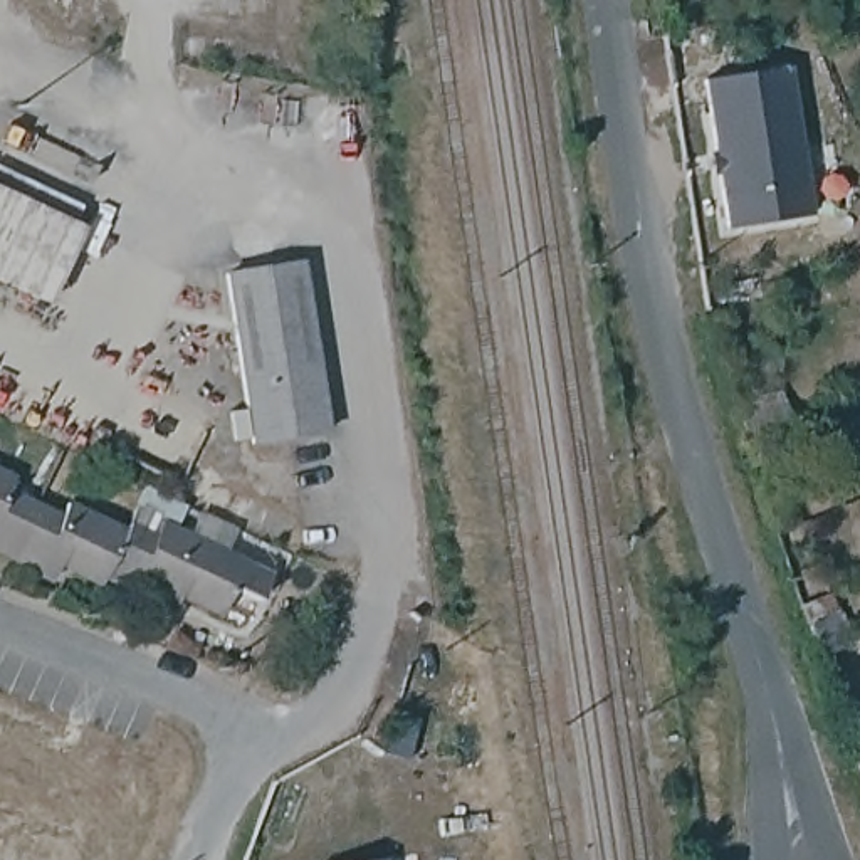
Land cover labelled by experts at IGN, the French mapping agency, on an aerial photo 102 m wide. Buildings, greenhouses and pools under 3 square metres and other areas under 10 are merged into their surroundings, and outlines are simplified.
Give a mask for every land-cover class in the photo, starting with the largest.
<instances>
[{"label":"impervious surface","instance_id":"1","mask_svg":"<svg viewBox=\"0 0 860 860\"><path fill-rule=\"evenodd\" d=\"M124 13L121 60L128 64L121 67V74H114L104 60L91 57L87 50L54 47L27 13L13 10L10 0H0V185L50 212L84 222L74 265L50 302L34 299L17 282L0 279V413L13 423L34 427L40 437H50L47 454L34 467V484L60 494L67 487L77 450L97 440L111 447V454H124L138 487H155L161 497L181 501L195 494L198 467L212 450L215 427L232 423V413H239L235 406L242 400V386L235 376V343L232 333H225L232 326V316L225 306L222 275L282 262H309L333 423L312 437L316 443L296 447V470L306 484H312V501L306 511L309 531L302 534V541L336 554L339 574L353 581L349 638L339 648L333 669L306 695L279 692L269 682L235 665H195L185 655L161 652L158 642L131 645L121 628L81 625L74 611L54 608L47 598H30L13 588H0V699L20 705L24 712L60 709L64 716L81 719V726L111 736H144L151 716H178L181 722H191L205 742V779L181 820V833L168 860H225L239 820L255 793L262 779H269L279 766L343 736L359 722L366 705L373 702L376 679L386 665L400 595L410 581L423 585L430 578V558L423 470L403 410L396 359L403 356L390 316L386 265L376 245L373 168L366 158H343L339 138L319 141L312 124L299 131L245 124L225 131L218 124L202 121L195 108L198 91L178 87L171 74L175 20H188L198 10V0H114ZM581 24L591 27V37H585V50L591 57L588 64L595 74L591 84L598 91V118H605V131L595 138V144L601 148L608 195L595 202L598 208L608 252L615 255V269L625 282V302L635 316V326L625 336L638 349L635 363V370L645 376L642 390L658 406V420L665 423L672 440L675 480L682 484V501L695 531V544L705 558V578L712 588H742L739 608L729 615V632L722 645L726 658L736 669L739 702L742 776L749 786V803L746 813L732 820V843L749 847V860H850L810 736L783 672L773 605L763 598V588L756 585L749 554L732 521L712 433L692 380L685 323L672 239L679 188L692 195V175H709L716 205H705V218H716L719 235L769 239L773 232L820 228V235L833 245L853 232V218L836 208V198H850L853 188L847 178H840V168H823V205L813 215L732 225L726 178L716 168V114H702L705 151L699 158H689L685 151L679 111V94H685L682 47H672V37L645 40L642 30H648V20H638V27H632L628 0H578ZM235 611L222 618H212L195 608L185 611L188 625H195L198 642L239 648L242 655L265 652L269 638L262 632L269 618L265 595L242 591V605L232 601ZM840 679L850 685V699H857L860 705V642L857 652H836L833 658Z\"/></svg>","mask_w":860,"mask_h":860},{"label":"herbaceous vegetation","instance_id":"2","mask_svg":"<svg viewBox=\"0 0 860 860\"><path fill-rule=\"evenodd\" d=\"M13 10L27 13L54 47L87 50L91 57L104 60L114 74H121V67L128 64L121 60L124 13L114 0H10ZM383 77L403 74L410 67L413 74H427V81L437 84L427 101V121L413 124L406 134L410 148L403 171L406 195L413 198V235L420 259L417 286L423 292L430 326L423 349L433 370L417 373L406 366L403 356L396 359L403 410L410 406L417 386L440 390L437 427L443 440V474L450 487V507L457 517L464 581L474 588V615L460 632L433 618V605H440V588L430 558V578L423 585L410 581L400 595L386 665L376 679L373 702L366 705L359 722L343 736L279 766L269 779H262L255 793L262 800L242 860H551V830L534 796V769L524 756L527 736L521 729L524 692L531 689L524 652L538 648V628L531 611L527 564L514 558L507 538V514H517V484L514 474L497 470V447L511 450V433L501 380L487 383L484 373H477V363H484V346L497 349V339L490 319L480 225L474 208L467 121L460 108V71L454 50H447V64L437 60L433 30H420L410 17L403 20V0H383ZM393 709L406 712L413 726L406 736L383 749L380 729ZM548 30L561 27V81L568 97L564 131L574 128L591 141L588 168L571 165L581 218L598 208L595 202L608 195L601 148L595 144V138L605 131V118H598V91L591 84L595 74L588 64L591 57L585 50V37H591V27L581 24L578 0H538ZM763 67L796 64L806 134L823 151V168H840V178H847L853 188L850 198H836V208L853 218V232L833 245L820 235V228L773 232L769 239L719 235L716 218H705V205H716L709 175H692V195L679 188L672 239L685 323L705 309L732 312L736 302L763 299L776 289V275L786 272L793 282L796 309H820L823 323H806V333L816 343L803 349L800 363H763L766 386L759 393H786L789 410H803L806 396L816 393V383L833 366H843V376H850L860 386V40L840 50L836 60H823L820 40L810 27L789 37L786 47L759 60ZM823 249L830 252V259H843L857 275L820 292L803 262H810ZM685 94H679V111L685 151L689 158H699L705 151L702 114H716L712 77L753 74V64H732V47H716L712 34L705 30H692L689 40H682V47ZM595 279L605 282L608 302H625V282L615 269V255L608 252L595 262ZM591 383L601 443L608 457L611 497L618 521L625 524V538H632V554L621 558V568L625 581L635 591V601L642 605L645 705H655L662 689H675V682L669 672L665 635L658 632L655 611L648 608L652 588L669 585L679 574V591L692 595L695 605L709 608L712 635L705 648L722 645L729 632V615L739 608L742 588H712L705 578V558L695 544V531L682 501V484L675 480L672 440L665 423L658 420V406L642 390L645 376L635 370V363H618V376L625 386V413L605 403L598 323L588 309L585 312ZM833 420L850 437V443L860 447V403L833 406ZM50 437H40L34 427L13 423L0 413V467L17 474L10 501L34 497L47 507H64V497L60 494L34 484V467L47 454ZM312 501V484H306L296 470V447L235 440L232 423L215 427L212 450L198 467L195 494L181 501L188 504L181 517L188 531H195L198 521L208 514L232 524L235 541H245L265 554L282 558L275 571V581L282 588L265 595L269 618L279 615L289 605V598H309L323 591L333 605L326 638V665L333 669L339 648L349 638L353 581L339 574L336 554L302 541V534L309 531L306 511ZM732 521L749 554L759 548V541L749 517V501L742 497V484L729 467L722 440L712 433ZM141 487H138L121 490L114 504L97 501L94 507L104 517L128 524ZM783 551L789 558L793 581L803 598L806 591H830V581L803 574V551L833 558V568L860 574V517L847 521L843 507H836L823 490L810 504H800L789 521H783ZM131 581H151L165 595V605L171 611V632L158 642L161 652L185 655L195 665H235L269 682L272 655L265 652L242 655L239 648L198 642L195 625H188L185 611L165 571H131L118 581H108L114 591H124ZM642 736L648 776L662 813L665 860H679L672 847L679 833L675 806L662 793L669 773H675L685 786V796L695 800L692 840H702L712 860H749V847L732 843V820L746 813L749 803V786L742 776L739 702H719L716 695L702 699V709L695 716L702 773L675 769L669 763L682 736H669L662 712H655L642 719ZM205 779V742L191 722H181L178 716H151L144 736H111L81 726V719L64 716L60 709L24 712L20 705L0 699V860H168L181 833V820ZM850 860H860V759L853 753H843L833 763L826 756V742H820L816 732L810 736Z\"/></svg>","mask_w":860,"mask_h":860},{"label":"pervious surface","instance_id":"3","mask_svg":"<svg viewBox=\"0 0 860 860\"><path fill-rule=\"evenodd\" d=\"M309 13L299 10V0H198V10L188 20H175L171 74L178 87L198 91L195 108L202 121L218 124L225 131L245 124L299 131L312 124L319 141L339 138L343 158H366L373 168L383 158V141L373 131L370 104H336L329 94H319L306 84L245 77L232 71H198L188 64L205 47H228L232 54H262L289 71L306 74V60H316V54L309 44ZM410 17L420 30H433L437 60L447 64V50H454L460 71V108L467 121L474 208L480 225L490 319L497 339V349L484 346V363H477V373H484L487 383L501 380L511 433V450L497 447V470L514 474L517 484V514H507V538L514 558L527 564L531 611L538 628V648L524 652L531 689L524 692L521 729L527 736L524 756L534 769V796L551 830V860H665L662 813L648 776L642 736V719L655 712V705H645L642 605L635 601V591L625 581L621 568V558L632 554V538H625V524L618 521L611 497L608 457L601 443L591 383L585 312L581 306L588 302L595 279V262L585 252L581 218L571 165L564 151V131L568 97L561 81V27L548 30L538 0H403V20Z\"/></svg>","mask_w":860,"mask_h":860},{"label":"deciduous trees","instance_id":"4","mask_svg":"<svg viewBox=\"0 0 860 860\"><path fill-rule=\"evenodd\" d=\"M299 10L309 13V44L316 54V60H306V84L319 94H329L336 104H370L373 131L383 141V158L373 168L376 245L386 265L390 316L403 356L406 366L417 373L433 370L423 349L430 326L423 292L417 286L420 259L413 235V198L406 195L403 171L410 148L406 134L413 124L427 121V101L437 84L427 81V74H413L410 67L403 74L383 77V0H299ZM632 27H638V20H648V30H642L645 40L672 37V47H682V40H689L692 30H705L712 34L716 47H732V64H753L759 60L786 47L789 37L810 27L820 40L823 60H836L840 50L860 40V0H628ZM591 141L574 128L564 131V151L571 165L588 168ZM585 252L595 262L608 252L598 208L581 218ZM820 292L857 275L843 259H830V252L823 249L810 262H803ZM823 323L820 309H796L793 282L786 272L776 275V289L763 299L736 302L732 312L705 309L685 323L692 380L712 433L722 440L729 467L742 484V497L749 501V517L759 541V548L749 554L756 585L763 588V598L773 605L783 672L810 736L816 732L820 742H826V756L833 763L843 753H853L860 759V705L857 699H850V685L840 679L833 658H826L823 652L816 621H806L803 615V598L793 581L789 558L783 551V521H789L800 504H810L823 490L836 507H843L847 521L860 517V447L850 443V437L833 420V406L860 403V386L850 376H843V366H833L816 383V393L806 396L803 410H789L786 420H773L766 427L749 423L746 413L756 410L759 393L766 386L763 363H800L803 349L816 343L806 333V323ZM588 309L598 323L605 403L625 413V386L618 376V363H635L638 349L625 336L635 326V316L625 302H608L605 282L595 279L588 302L581 306L585 312ZM440 390L417 386L410 406L403 410L423 470L430 558L440 588V605H433V618L460 632L474 615V588L464 581L457 517L450 507V487L443 474V440L437 427ZM138 487L124 454H111V447L97 440L77 450L67 487L60 494L64 497L97 501L114 504L121 490ZM0 588H13L30 598H47L54 608L74 611L81 625L121 628L131 645L158 642L171 632V611L165 605V595L151 581H131L124 591H114L108 581H47L40 564L10 561L0 551ZM803 574L830 581V591L860 608V574L833 568V558L803 551ZM679 574L669 585L652 588L648 608L655 611L658 632L665 635L669 672L675 682V689H662L655 705V712H662L669 736H682L669 763L675 769L702 773L695 716L702 709V699L716 695L719 702H739L736 669L726 658L722 645L705 648L712 635L709 608L695 605L692 595L679 591ZM333 605L323 591L309 598H289V605L279 615L269 618L262 632L269 638L265 652L272 655L269 682L279 692L306 695L333 669L326 665V638ZM413 726L406 712L393 709L380 729L383 749L406 736ZM662 793L675 806L679 833L672 847L679 860H712L702 840H692L695 800L685 796V786L675 773H669ZM262 800L255 793L239 820L225 860H242Z\"/></svg>","mask_w":860,"mask_h":860},{"label":"building","instance_id":"5","mask_svg":"<svg viewBox=\"0 0 860 860\"><path fill-rule=\"evenodd\" d=\"M716 114V168L726 178L732 225L813 215L823 205V151L806 134L796 64L763 67L759 60L753 64V74L712 77ZM84 222L50 212L0 185V279L17 282L34 299L50 302L74 265ZM225 306L232 316V326L225 333H232L235 343V376L242 386V400L235 406L239 413H232V423L235 440L296 447L316 443L312 437L333 423L309 262H282L222 275ZM789 410L786 393H759L756 410L746 413L749 423L766 427L773 420H786ZM17 474L0 467V551L10 561L40 564L47 581H118L131 571H165L185 611L195 608L212 618H222L235 611L232 601L242 605V591L265 595L282 588L275 581V571L282 558L265 554L245 541H235L232 524L208 514L198 521L195 531H188L181 517L188 504L181 501L161 497L155 487H141L128 524L104 517L94 507L97 501L64 497V507H47L34 497L10 501ZM803 615L806 621H816L823 652L826 658H833L836 652H857L860 642V608L830 591H806L803 598Z\"/></svg>","mask_w":860,"mask_h":860},{"label":"brushwood","instance_id":"6","mask_svg":"<svg viewBox=\"0 0 860 860\"><path fill-rule=\"evenodd\" d=\"M198 71H232L245 77L306 84V74L289 71L262 54H232L228 47H205L188 64Z\"/></svg>","mask_w":860,"mask_h":860}]
</instances>
